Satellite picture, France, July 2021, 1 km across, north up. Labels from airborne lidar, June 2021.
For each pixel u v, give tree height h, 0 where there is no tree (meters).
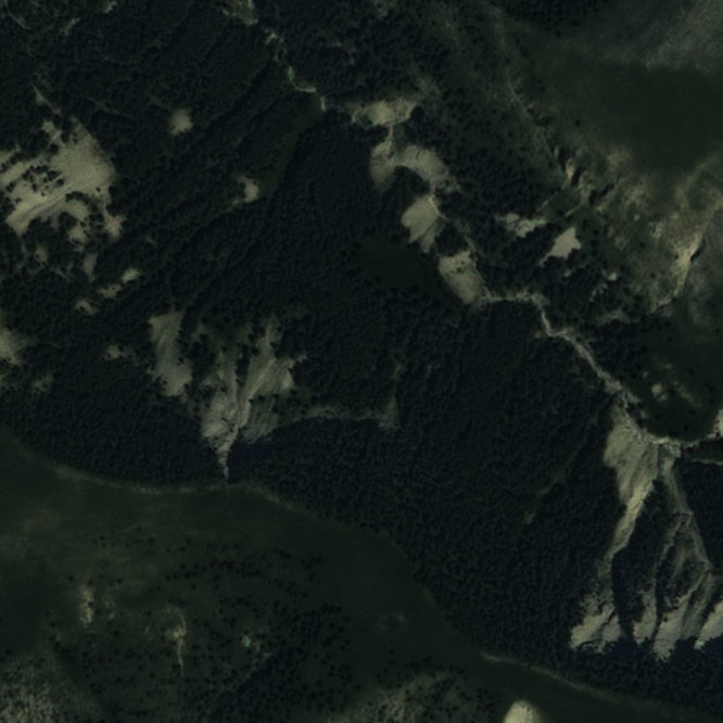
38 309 12
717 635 0
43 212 0
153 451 24
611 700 0
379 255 0
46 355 16
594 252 11
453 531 28
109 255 20
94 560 0
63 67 24
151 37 20
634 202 0
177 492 0
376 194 24
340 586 0
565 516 26
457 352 24
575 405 14
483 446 25
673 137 0
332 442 22
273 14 20
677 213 0
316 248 26
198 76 25
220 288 26
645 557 10
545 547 17
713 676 18
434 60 11
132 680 7
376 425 7
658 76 0
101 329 17
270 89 22
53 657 0
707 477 26
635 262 0
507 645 16
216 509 0
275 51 14
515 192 16
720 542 20
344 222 24
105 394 13
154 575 0
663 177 0
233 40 21
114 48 13
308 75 12
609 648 0
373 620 0
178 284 19
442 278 18
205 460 18
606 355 13
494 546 17
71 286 16
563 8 8
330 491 21
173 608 0
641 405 10
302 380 18
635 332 16
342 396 19
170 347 0
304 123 0
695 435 0
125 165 23
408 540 16
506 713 0
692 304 0
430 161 0
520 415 15
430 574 15
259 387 0
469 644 0
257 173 10
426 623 0
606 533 25
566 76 0
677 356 0
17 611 0
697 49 0
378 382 14
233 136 26
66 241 13
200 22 25
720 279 0
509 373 15
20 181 0
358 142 21
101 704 0
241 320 16
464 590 17
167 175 22
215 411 0
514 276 25
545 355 20
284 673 14
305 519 0
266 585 0
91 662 8
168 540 0
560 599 23
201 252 20
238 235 26
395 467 18
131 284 14
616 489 21
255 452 12
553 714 0
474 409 26
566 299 24
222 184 22
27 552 0
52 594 0
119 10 11
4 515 0
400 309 17
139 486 0
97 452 15
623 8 0
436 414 21
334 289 21
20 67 20
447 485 16
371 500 18
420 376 29
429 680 0
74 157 0
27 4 10
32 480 0
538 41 0
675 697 14
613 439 0
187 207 26
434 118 6
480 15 9
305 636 11
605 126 0
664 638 0
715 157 0
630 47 0
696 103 0
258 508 0
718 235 0
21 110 12
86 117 25
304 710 0
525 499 25
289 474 16
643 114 0
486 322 7
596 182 0
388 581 0
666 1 0
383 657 0
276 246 24
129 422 19
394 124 0
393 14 13
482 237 9
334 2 18
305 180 29
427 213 0
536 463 25
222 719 18
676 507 0
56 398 16
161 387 10
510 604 19
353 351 27
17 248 12
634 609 10
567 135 0
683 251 0
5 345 0
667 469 0
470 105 11
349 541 0
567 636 18
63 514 0
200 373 11
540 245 15
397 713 0
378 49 19
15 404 14
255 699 11
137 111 27
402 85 6
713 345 0
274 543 0
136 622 0
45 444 12
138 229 26
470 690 0
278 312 16
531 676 0
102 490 0
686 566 8
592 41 0
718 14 0
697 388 0
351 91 25
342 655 0
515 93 0
